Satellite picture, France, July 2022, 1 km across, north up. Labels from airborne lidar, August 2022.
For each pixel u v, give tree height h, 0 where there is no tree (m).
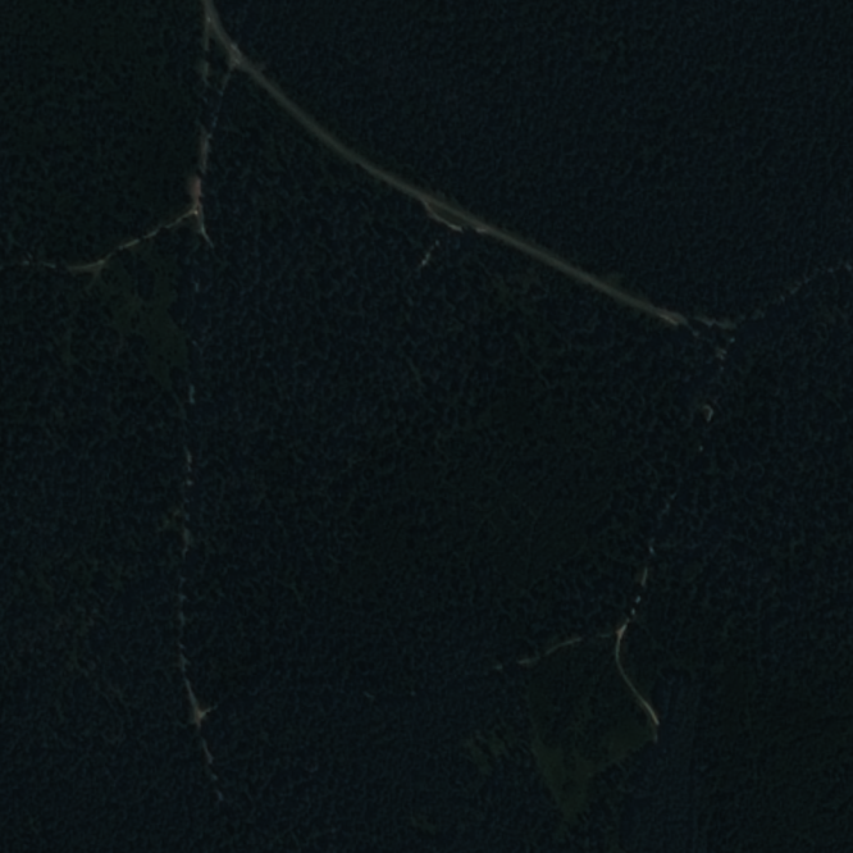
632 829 31
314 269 12
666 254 23
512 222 8
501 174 19
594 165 19
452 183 29
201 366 25
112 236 10
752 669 11
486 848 20
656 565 38
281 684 25
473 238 28
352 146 11
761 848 12
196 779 24
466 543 12
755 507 17
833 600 21
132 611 33
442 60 13
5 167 25
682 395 9
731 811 11
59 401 32
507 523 7
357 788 31
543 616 15
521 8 20
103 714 30
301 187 8
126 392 14
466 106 17
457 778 17
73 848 29
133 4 6
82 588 29
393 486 18
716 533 44
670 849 28
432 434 20
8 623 13
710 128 22
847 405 30
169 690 38
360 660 7
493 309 19
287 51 20
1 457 21
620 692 10
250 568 12
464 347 21
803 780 11
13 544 14
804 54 26
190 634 6
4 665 22
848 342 29
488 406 19
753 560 19
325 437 7
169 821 29
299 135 8
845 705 11
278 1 23
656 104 19
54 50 9
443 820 27
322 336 23
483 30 15
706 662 7
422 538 7
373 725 24
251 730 32
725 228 24
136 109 9
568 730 7
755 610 24
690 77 24
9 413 10
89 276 7
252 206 37
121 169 12
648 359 22
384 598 13
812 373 21
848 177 8
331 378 29
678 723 35
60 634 25
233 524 9
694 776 33
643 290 24
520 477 7
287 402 20
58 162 12
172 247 14
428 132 24
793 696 8
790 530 22
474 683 25
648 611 8
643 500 19
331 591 10
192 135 7
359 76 22
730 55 18
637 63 20
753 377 7
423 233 24
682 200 22
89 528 30
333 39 13
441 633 16
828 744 10
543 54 21
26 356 7
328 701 29
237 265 38
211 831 25
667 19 20
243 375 22
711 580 17
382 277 6
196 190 0
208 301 26
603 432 7
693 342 26
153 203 6
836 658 13
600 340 40
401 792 29
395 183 0
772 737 11
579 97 22
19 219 8
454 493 8
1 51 7
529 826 24
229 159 6
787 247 19
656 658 12
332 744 28
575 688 6
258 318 33
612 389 20
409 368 41
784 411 17
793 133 21
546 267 8
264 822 31
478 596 15
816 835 11
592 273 10
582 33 24
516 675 25
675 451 23
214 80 11
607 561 15
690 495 28
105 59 9
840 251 26
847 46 22
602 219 24
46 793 24
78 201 9
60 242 7
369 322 12
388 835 28
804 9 18
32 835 28
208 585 16
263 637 20
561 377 16
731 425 9
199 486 36
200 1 7
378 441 8
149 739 30
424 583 16
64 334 10
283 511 16
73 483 30
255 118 7
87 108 15
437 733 28
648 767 30
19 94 7
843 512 27
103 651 34
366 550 11
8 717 16
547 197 21
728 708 12
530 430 15
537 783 26
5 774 24
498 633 14
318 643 21
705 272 21
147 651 30
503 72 18
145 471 11
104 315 5
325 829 30
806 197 24
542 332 6
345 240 42
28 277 6
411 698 26
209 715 7
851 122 18
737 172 20
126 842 22
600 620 30
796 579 24
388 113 21
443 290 25
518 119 6
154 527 29
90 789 22
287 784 35
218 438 13
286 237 12
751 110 23
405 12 14
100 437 33
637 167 21
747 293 27
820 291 28
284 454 10
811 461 26
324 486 16
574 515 7
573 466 7
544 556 9
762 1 21
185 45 14
